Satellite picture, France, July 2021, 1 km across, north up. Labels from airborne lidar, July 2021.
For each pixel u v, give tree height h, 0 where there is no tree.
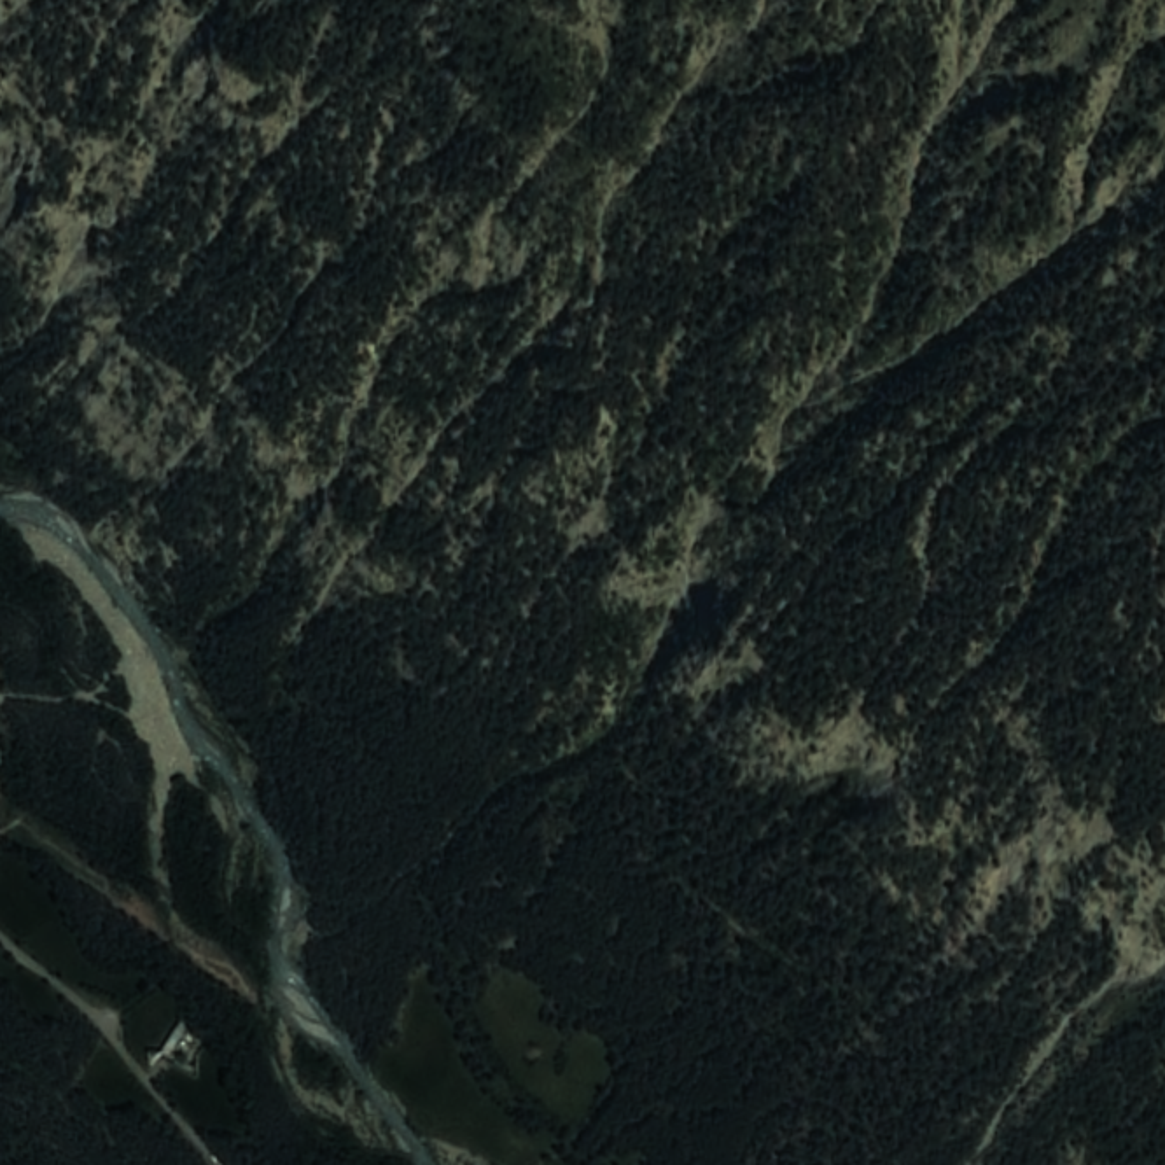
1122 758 12
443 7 8
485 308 7
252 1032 10
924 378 16
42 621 6
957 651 9
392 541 11
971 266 11
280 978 0
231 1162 13
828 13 11
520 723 14
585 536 0
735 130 10
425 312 7
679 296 15
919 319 14
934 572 16
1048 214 8
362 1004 13
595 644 7
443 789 15
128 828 10
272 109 10
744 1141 12
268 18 10
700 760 14
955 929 10
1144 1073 12
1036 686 9
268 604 12
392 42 12
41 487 10
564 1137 14
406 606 11
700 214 11
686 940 13
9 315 12
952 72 0
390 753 14
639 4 9
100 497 8
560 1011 13
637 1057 16
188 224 7
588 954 14
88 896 14
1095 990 7
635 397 14
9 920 0
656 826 15
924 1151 11
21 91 7
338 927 10
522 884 11
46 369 10
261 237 8
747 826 16
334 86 8
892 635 17
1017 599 15
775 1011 15
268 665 12
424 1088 0
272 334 8
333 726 14
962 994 15
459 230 9
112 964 15
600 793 11
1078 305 16
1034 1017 6
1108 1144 13
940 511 15
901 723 8
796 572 7
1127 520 6
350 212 12
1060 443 9
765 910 21
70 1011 10
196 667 15
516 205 6
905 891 10
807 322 13
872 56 10
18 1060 7
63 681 7
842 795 10
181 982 12
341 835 12
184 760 0
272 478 6
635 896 15
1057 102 11
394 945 11
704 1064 13
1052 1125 10
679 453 9
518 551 9
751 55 6
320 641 11
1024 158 11
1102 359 8
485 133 9
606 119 10
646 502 8
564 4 8
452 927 13
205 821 10
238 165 8
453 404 7
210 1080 0
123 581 0
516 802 16
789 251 12
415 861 6
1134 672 8
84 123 9
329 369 11
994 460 13
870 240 6
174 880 10
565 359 15
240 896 6
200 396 9
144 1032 0
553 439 9
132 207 6
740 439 6
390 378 7
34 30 8
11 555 9
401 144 9
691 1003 15
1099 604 11
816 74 17
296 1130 11
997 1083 8
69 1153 13
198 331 11
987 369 11
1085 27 0
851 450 7
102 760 9
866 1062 17
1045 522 9
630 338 10
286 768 17
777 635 11
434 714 10
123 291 8
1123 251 7
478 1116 0
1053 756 7
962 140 11
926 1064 13
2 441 7
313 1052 7
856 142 15
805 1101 14
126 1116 18
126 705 6
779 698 16
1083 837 0
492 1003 0
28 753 8
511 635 11
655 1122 13
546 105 10
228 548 8
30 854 13
